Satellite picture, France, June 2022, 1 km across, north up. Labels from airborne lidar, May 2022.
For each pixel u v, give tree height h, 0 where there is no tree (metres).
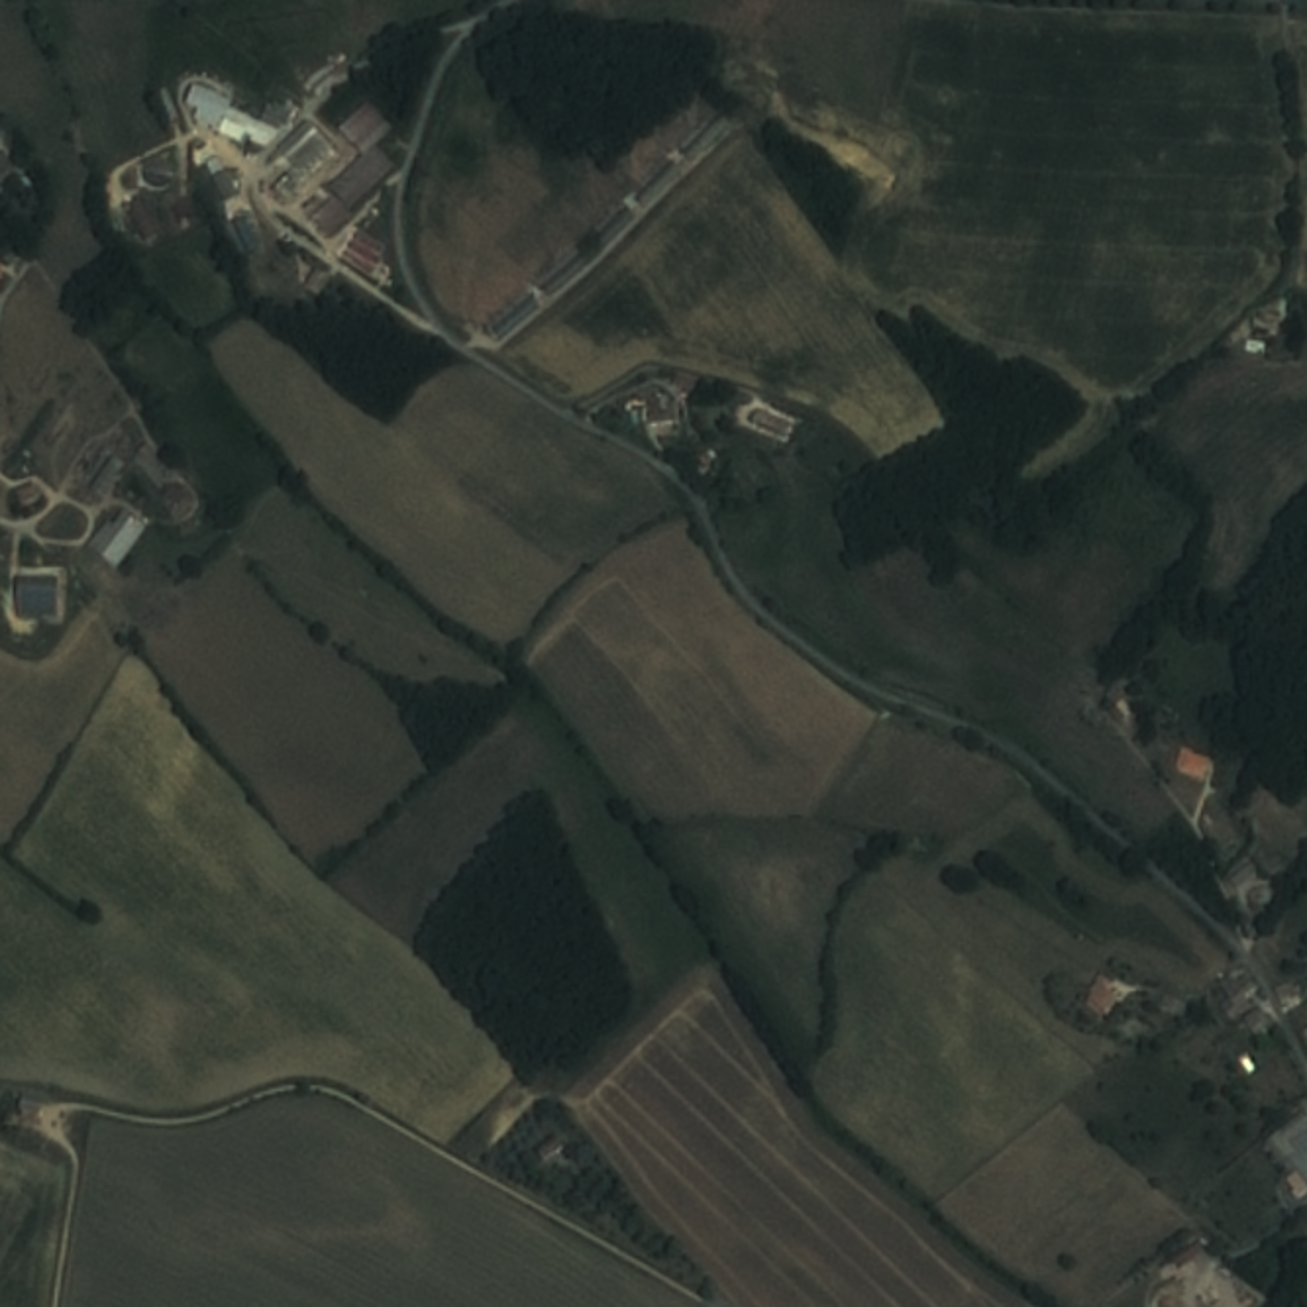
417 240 0
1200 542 16
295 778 0
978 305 0
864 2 0
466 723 21
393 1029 0
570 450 0
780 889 0
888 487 17
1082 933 0
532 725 0
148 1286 0
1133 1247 0
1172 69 0
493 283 0
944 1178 0
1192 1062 0
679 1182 0
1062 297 0
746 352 0
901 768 0
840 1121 0
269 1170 0
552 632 0
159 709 0
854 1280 0
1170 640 0
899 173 0
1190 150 0
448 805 0
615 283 0
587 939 18
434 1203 0
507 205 0
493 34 10
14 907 0
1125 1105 0
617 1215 10
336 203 0
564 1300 0
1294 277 0
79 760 0
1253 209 0
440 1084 0
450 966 16
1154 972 0
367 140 0
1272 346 7
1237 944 0
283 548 0
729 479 7
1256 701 22
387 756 0
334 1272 0
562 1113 13
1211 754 6
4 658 0
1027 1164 0
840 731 0
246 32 0
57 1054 0
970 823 0
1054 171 0
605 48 23
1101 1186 0
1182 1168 0
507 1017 20
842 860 0
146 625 0
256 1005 0
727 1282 0
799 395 0
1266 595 27
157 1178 0
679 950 0
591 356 0
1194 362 11
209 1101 0
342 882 0
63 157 0
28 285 0
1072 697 0
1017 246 0
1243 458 0
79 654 0
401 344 17
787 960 0
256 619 0
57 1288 0
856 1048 0
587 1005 18
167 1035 0
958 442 13
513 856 18
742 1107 0
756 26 0
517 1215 0
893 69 0
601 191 0
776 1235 0
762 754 0
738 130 0
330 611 0
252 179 0
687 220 0
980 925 0
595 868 0
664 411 0
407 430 0
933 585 10
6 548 0
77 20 0
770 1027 23
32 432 0
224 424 0
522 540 0
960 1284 0
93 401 0
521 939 19
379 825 8
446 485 0
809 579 0
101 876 0
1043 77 0
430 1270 0
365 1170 0
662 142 0
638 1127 0
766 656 0
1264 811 0
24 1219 0
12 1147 0
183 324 15
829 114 0
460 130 0
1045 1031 0
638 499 0
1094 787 0
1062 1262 10
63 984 0
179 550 0
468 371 0
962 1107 0
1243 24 0
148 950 0
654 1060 0
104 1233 0
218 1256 0
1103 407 0
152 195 0
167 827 0
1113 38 0
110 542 0
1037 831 0
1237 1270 11
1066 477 9
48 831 0
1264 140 0
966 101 0
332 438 0
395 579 13
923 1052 0
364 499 0
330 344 18
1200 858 7
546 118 17
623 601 0
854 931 0
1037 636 0
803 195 6
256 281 0
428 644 0
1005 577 0
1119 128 0
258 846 0
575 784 0
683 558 0
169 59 0
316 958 0
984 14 0
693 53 20
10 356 0
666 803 0
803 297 0
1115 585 0
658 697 0
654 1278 0
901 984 0
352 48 0
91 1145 0
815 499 0
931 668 0
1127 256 0
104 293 27
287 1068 0
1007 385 22
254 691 0
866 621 0
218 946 0
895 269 0
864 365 0
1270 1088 0
